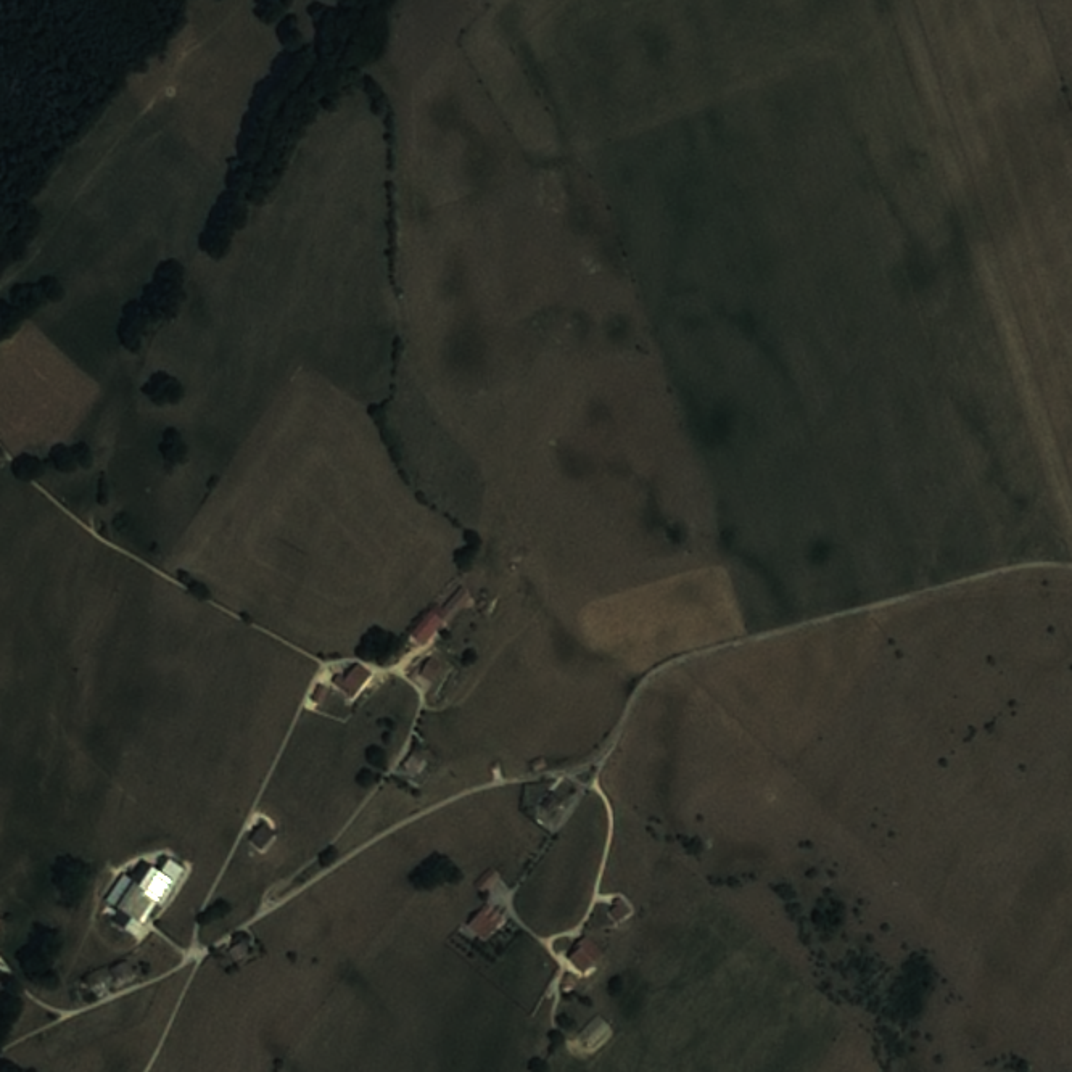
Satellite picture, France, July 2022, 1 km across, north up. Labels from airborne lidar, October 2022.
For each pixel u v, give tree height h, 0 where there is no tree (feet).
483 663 0
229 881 0
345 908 0
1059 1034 0
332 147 0
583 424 0
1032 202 0
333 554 0
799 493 0
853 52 0
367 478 0
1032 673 0
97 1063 0
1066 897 0
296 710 0
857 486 0
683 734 0
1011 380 0
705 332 0
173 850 0
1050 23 0
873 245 0
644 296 0
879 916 0
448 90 0
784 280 0
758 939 0
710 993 0
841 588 0
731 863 0
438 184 0
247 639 0
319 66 73
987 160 0
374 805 0
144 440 0
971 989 0
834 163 0
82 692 0
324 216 0
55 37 76
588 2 0
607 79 0
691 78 0
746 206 0
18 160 94
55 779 0
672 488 0
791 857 0
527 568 0
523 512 0
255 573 0
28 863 0
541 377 0
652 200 0
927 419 0
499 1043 0
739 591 0
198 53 0
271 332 0
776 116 0
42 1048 0
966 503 0
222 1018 0
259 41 0
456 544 0
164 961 0
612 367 0
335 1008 0
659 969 0
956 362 0
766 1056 0
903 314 0
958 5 0
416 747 31
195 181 0
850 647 0
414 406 0
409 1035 0
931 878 0
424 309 0
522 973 0
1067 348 0
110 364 0
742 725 0
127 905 0
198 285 0
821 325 0
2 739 0
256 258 0
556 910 0
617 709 0
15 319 68
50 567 0
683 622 0
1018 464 0
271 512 0
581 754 0
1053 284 0
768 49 0
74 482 0
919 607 0
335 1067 0
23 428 0
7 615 0
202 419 0
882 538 0
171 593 0
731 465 0
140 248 0
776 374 0
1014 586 0
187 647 0
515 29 0
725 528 0
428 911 0
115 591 0
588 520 0
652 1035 0
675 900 0
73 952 0
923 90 0
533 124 0
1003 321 0
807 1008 0
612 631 0
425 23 0
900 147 0
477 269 0
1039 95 0
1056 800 0
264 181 78
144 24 64
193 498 0
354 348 0
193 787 0
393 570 0
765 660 0
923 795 0
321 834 0
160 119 0
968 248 0
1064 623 0
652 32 0
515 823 0
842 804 0
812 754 0
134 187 0
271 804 0
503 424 0
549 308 0
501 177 0
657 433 0
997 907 0
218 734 0
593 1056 0
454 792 0
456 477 0
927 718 0
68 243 0
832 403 0
